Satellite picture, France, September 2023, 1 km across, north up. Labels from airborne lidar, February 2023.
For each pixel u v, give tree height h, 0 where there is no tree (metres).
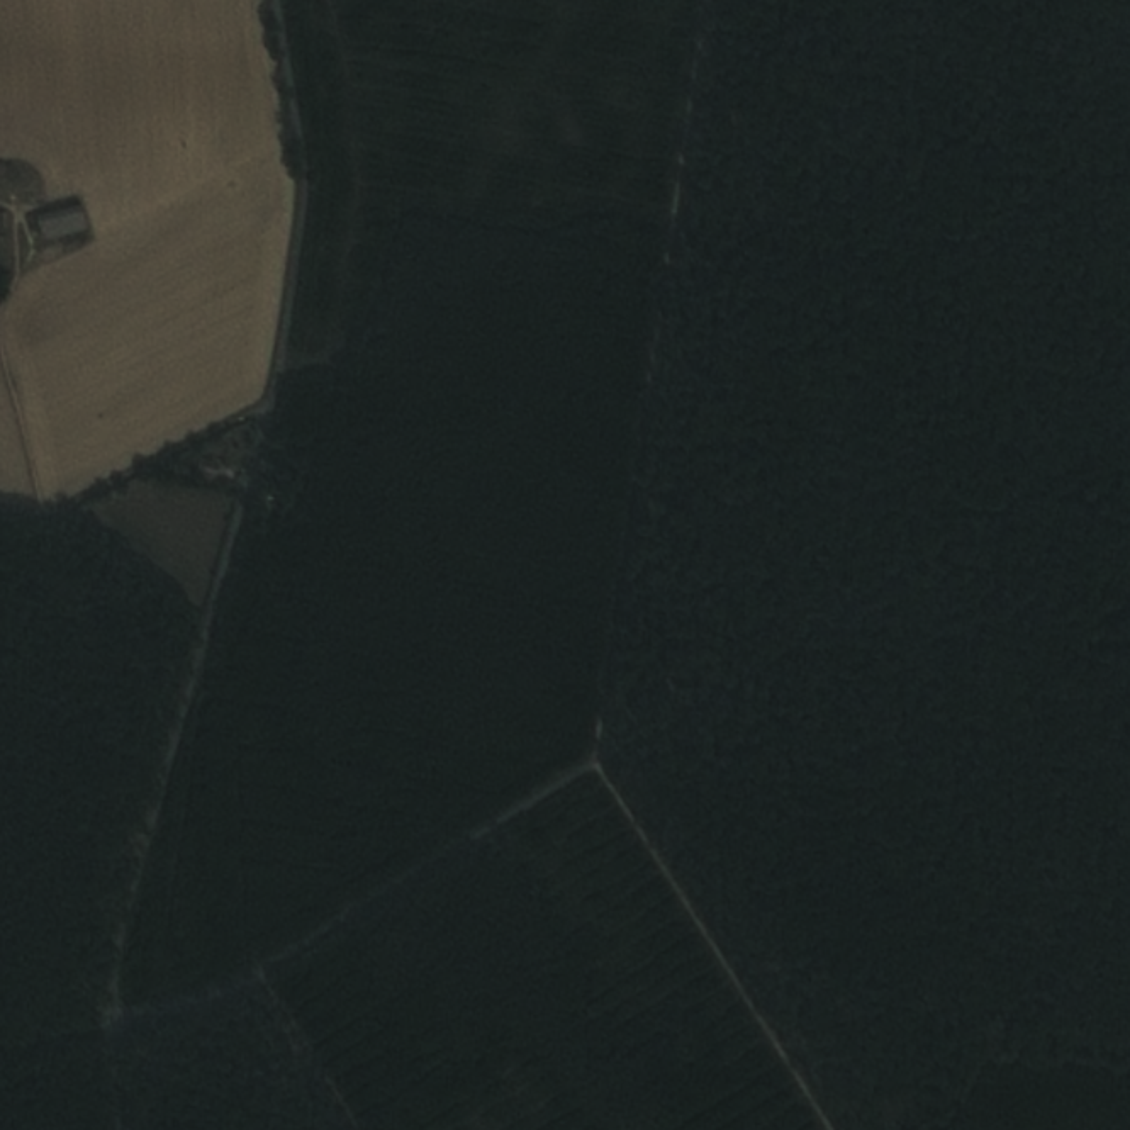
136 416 0
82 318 0
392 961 14
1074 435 28
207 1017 27
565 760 10
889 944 34
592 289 11
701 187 25
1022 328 35
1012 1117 7
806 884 33
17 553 27
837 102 15
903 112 33
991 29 27
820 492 29
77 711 30
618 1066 15
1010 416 33
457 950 14
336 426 8
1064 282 28
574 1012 8
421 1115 8
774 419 30
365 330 8
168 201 0
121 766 33
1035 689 33
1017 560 33
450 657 14
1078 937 36
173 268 0
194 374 0
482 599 13
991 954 36
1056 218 29
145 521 0
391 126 0
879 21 28
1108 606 12
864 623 31
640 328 11
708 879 34
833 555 27
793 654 36
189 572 0
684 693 27
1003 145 28
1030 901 38
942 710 28
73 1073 26
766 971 34
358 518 13
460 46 0
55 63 0
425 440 14
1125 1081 11
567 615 14
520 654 14
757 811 33
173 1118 28
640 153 0
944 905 36
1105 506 28
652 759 32
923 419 34
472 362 15
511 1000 17
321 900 7
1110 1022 34
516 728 13
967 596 32
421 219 11
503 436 14
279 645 7
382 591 16
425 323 17
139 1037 22
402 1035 7
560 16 0
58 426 0
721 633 32
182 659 29
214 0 0
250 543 8
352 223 0
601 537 15
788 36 20
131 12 0
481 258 14
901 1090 32
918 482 28
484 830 0
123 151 0
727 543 31
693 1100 8
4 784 30
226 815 8
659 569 27
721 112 29
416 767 12
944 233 34
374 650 16
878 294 35
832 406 28
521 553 15
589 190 0
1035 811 37
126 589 33
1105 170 19
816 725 36
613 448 13
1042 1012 34
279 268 0
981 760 34
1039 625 35
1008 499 24
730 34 20
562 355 11
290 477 26
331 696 15
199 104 0
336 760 13
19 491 0
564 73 0
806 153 30
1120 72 27
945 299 28
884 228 34
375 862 9
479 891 15
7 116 0
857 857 33
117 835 31
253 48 0
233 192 0
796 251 33
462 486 13
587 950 6
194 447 12
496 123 0
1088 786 38
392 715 14
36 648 30
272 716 9
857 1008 35
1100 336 25
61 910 31
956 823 35
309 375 8
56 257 0
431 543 13
